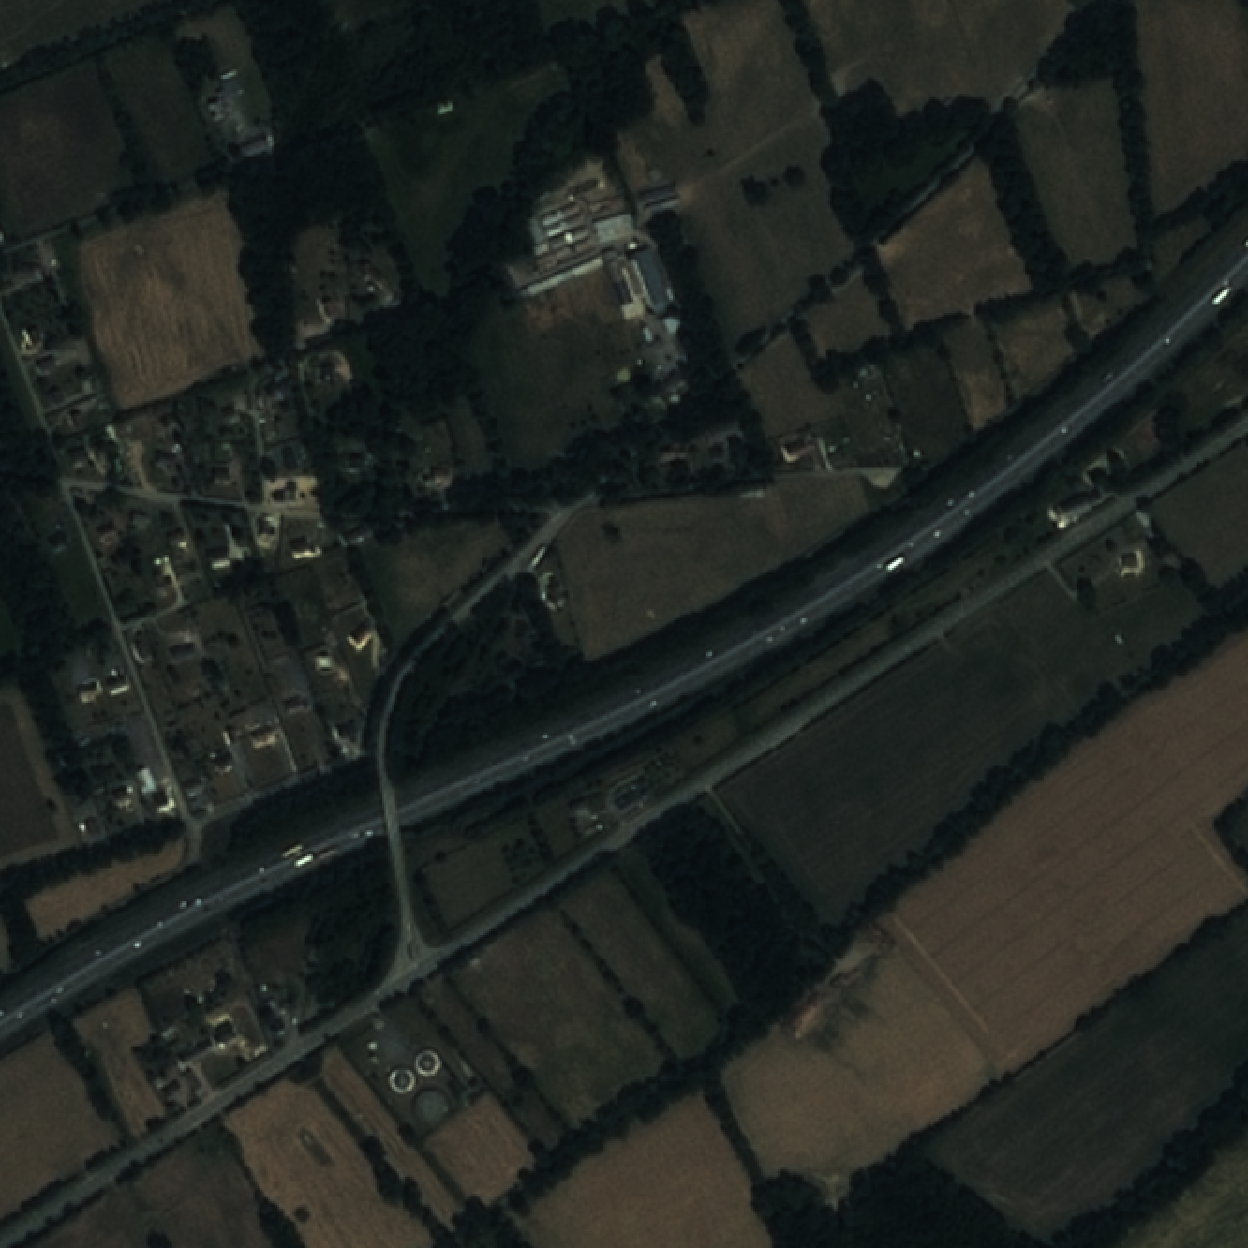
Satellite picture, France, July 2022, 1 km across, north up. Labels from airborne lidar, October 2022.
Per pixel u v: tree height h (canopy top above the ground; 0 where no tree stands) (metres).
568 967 0
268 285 18
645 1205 0
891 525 10
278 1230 26
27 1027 0
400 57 8
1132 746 0
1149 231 14
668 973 0
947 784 0
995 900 0
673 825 21
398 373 21
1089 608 8
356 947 0
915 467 6
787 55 0
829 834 0
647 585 0
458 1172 0
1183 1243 0
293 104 19
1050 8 0
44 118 0
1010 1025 0
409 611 0
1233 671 0
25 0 0
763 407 0
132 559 7
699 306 13
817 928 14
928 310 0
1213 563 0
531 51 24
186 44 10
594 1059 0
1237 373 0
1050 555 0
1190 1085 0
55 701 7
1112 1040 0
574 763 6
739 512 0
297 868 0
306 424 17
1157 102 0
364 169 19
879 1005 0
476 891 0
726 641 0
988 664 0
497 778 0
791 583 11
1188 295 0
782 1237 17
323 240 0
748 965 20
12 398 8
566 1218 0
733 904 18
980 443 14
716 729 0
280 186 19
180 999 0
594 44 21
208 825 0
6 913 17
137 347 0
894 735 0
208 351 0
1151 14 0
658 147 0
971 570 0
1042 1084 0
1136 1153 0
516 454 0
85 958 0
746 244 0
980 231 0
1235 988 0
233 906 0
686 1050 0
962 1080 0
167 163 0
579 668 17
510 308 14
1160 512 0
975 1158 0
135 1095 0
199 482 8
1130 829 0
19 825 0
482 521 12
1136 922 0
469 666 0
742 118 0
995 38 0
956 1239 23
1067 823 0
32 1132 0
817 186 0
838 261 0
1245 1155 0
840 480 0
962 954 0
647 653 12
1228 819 12
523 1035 0
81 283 0
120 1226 0
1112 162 0
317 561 0
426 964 0
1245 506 0
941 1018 0
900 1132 0
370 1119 0
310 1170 0
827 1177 0
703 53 0
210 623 0
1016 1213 0
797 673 0
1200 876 0
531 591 14
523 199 19
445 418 8
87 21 0
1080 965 0
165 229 0
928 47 0
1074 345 13
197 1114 0
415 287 18
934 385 0
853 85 0
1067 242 0
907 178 0
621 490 10
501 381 0
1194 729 0
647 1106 18
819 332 0
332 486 14
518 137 0
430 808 0
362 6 0
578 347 0
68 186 0
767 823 0
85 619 0
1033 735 0
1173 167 0
